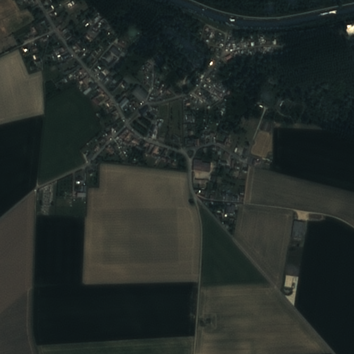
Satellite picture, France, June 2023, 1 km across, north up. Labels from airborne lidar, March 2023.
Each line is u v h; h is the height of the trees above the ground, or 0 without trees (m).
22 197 0
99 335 0
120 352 0
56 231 0
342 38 24
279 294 0
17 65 0
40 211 0
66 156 0
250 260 0
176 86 0
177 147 7
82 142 0
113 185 0
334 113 6
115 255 0
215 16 0
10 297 0
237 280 0
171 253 0
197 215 0
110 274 0
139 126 9
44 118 0
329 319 0
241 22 0
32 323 0
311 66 22
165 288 0
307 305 0
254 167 0
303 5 7
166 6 19
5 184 0
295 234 0
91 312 0
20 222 0
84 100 0
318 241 0
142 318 0
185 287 0
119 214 0
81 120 0
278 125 0
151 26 13
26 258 0
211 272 0
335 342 0
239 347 0
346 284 0
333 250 0
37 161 0
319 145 0
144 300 0
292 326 0
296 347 0
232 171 7
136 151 7
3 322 0
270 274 0
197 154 0
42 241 0
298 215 0
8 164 0
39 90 0
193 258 0
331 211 0
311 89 17
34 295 0
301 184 0
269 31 17
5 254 0
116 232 0
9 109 0
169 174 0
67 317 0
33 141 0
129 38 0
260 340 0
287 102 0
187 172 0
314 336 0
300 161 0
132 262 0
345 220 0
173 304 0
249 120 0
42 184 0
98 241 0
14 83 0
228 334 0
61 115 0
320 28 25
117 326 0
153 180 0
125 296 0
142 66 0
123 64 5
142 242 0
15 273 0
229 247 0
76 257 0
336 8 0
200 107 0
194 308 0
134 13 13
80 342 0
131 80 0
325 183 0
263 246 0
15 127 0
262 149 0
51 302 0
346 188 0
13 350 0
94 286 0
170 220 0
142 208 0
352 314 0
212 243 0
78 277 0
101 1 24
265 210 0
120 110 0
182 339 0
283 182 0
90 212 0
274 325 0
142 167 0
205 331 0
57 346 0
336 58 21
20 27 0
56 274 0
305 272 0
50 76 0
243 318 0
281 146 0
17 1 0
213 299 0
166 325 0
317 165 0
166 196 0
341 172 0
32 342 0
